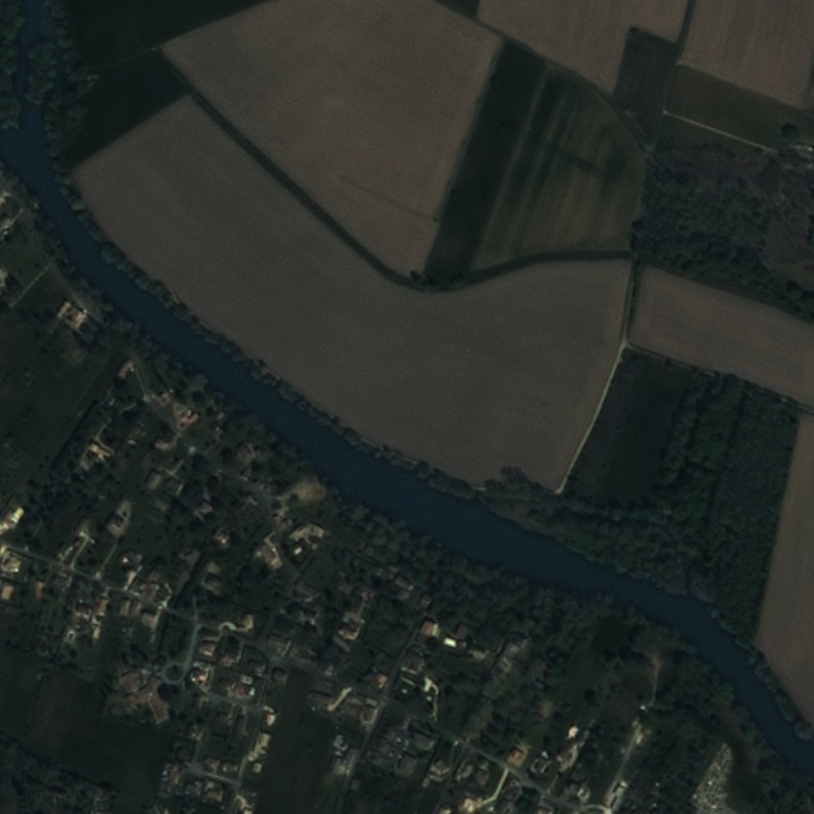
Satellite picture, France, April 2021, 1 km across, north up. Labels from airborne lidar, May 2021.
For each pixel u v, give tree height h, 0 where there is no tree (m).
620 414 0
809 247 11
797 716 7
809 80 0
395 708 0
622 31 0
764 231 15
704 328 0
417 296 0
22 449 0
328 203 0
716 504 19
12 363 0
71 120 17
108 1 0
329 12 0
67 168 9
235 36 0
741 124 0
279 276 0
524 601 0
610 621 0
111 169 0
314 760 0
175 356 12
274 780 0
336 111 0
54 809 0
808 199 13
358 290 0
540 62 0
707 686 14
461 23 0
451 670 0
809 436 0
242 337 0
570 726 0
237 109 0
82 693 0
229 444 0
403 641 16
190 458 9
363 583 11
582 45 0
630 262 0
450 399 0
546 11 0
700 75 0
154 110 0
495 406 0
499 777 0
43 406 0
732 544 17
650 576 26
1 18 11
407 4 0
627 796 11
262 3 0
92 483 14
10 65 16
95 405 7
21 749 13
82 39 0
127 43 0
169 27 0
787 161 16
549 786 9
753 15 0
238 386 0
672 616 0
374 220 0
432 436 0
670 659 0
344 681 0
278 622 8
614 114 0
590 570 0
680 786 14
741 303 0
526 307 0
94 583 10
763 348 0
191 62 0
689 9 0
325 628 6
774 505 16
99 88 0
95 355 23
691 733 10
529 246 0
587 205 0
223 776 0
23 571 0
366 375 0
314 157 0
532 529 0
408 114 0
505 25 0
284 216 0
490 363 0
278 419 0
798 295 13
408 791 0
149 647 0
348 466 0
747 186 16
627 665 20
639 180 0
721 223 16
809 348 0
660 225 13
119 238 0
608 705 8
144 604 0
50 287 0
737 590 17
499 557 0
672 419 0
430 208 0
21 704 0
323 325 0
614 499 0
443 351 0
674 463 17
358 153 0
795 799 11
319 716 0
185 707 0
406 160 0
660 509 9
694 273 14
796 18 0
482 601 26
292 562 7
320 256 0
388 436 0
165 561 9
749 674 0
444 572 9
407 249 0
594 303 0
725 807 0
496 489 15
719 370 0
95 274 0
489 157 0
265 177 0
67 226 0
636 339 0
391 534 11
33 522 11
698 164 15
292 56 0
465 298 0
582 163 0
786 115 0
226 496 6
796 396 0
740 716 15
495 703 16
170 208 0
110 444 10
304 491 0
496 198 0
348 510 13
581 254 0
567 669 16
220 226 0
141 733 0
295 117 0
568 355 0
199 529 15
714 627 0
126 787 0
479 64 0
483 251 0
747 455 12
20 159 0
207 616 10
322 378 0
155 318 0
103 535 14
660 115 0
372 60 0
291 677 0
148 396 0
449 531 0
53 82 21
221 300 0
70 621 13
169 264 0
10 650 7
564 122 0
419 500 0
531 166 0
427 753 7
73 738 0
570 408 0
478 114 0
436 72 0
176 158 0
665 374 0
